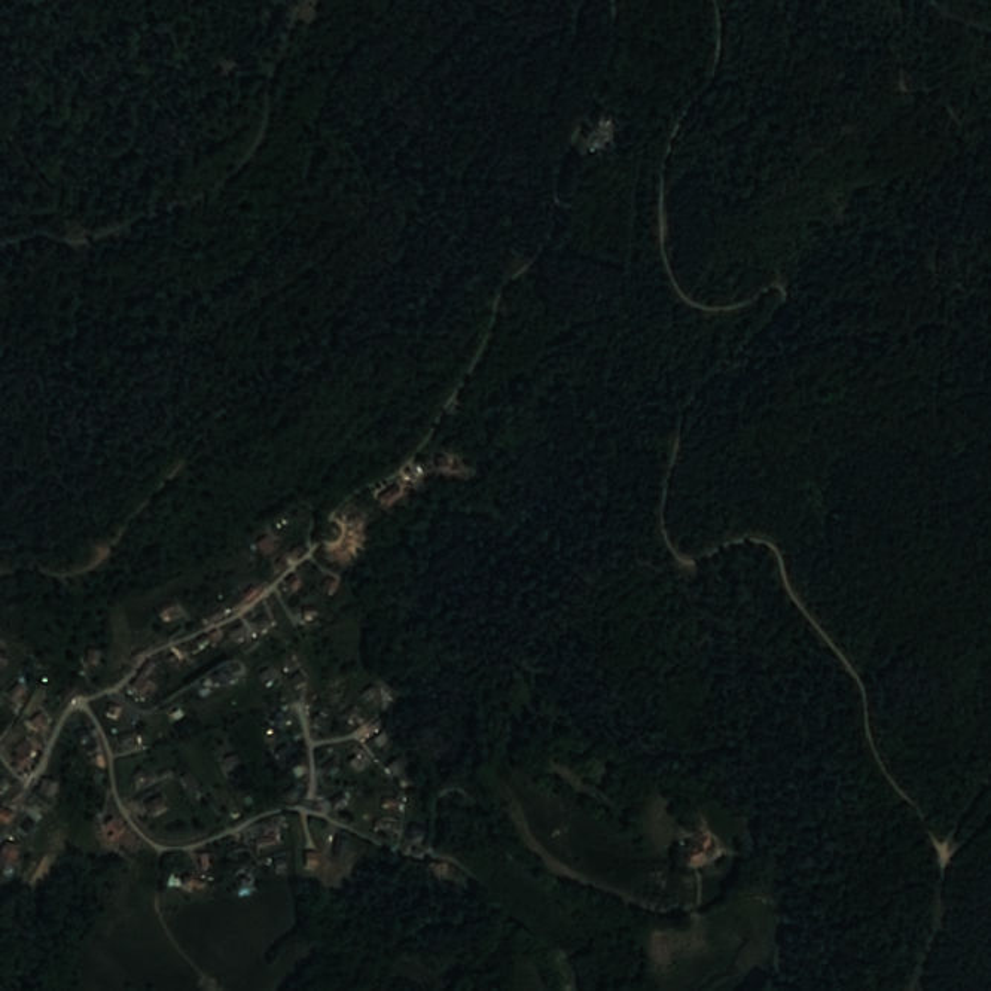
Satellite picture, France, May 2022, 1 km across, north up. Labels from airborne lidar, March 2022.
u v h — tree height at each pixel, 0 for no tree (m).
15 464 12
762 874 20
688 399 10
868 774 13
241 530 14
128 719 0
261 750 0
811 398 9
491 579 23
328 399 17
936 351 13
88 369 26
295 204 16
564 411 20
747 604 9
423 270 28
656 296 15
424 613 27
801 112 15
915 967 11
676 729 13
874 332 9
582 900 18
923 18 13
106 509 10
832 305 9
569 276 29
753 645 10
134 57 29
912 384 12
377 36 23
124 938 0
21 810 0
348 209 20
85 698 0
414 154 24
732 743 8
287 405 13
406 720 24
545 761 19
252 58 23
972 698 11
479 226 29
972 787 12
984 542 15
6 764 0
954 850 0
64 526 17
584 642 11
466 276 31
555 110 23
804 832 24
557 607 25
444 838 24
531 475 20
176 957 0
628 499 14
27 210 7
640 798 9
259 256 13
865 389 10
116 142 9
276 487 14
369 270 25
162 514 15
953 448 16
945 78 10
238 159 6
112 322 11
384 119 26
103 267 16
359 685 0
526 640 23
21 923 25
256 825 0
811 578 9
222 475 21
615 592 9
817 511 17
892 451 13
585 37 22
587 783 9
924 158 15
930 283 18
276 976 0
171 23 12
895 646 15
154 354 24
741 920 0
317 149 6
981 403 15
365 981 22
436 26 22
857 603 13
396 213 21
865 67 15
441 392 14
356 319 27
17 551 29
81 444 32
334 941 19
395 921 19
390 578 25
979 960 13
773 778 16
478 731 30
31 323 21
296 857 0
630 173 14
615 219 8
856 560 13
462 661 24
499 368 11
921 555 11
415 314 13
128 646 0
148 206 11
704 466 9
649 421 15
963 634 9
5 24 25
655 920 16
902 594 14
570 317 20
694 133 9
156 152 30
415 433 20
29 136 33
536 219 21
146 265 14
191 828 11
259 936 0
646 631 7
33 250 12
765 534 12
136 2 8
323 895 23
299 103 18
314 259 22
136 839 0
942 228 19
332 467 11
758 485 16
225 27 18
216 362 13
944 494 13
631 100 28
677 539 7
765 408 10
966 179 16
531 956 21
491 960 25
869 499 15
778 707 19
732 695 15
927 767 11
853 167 9
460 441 16
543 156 22
